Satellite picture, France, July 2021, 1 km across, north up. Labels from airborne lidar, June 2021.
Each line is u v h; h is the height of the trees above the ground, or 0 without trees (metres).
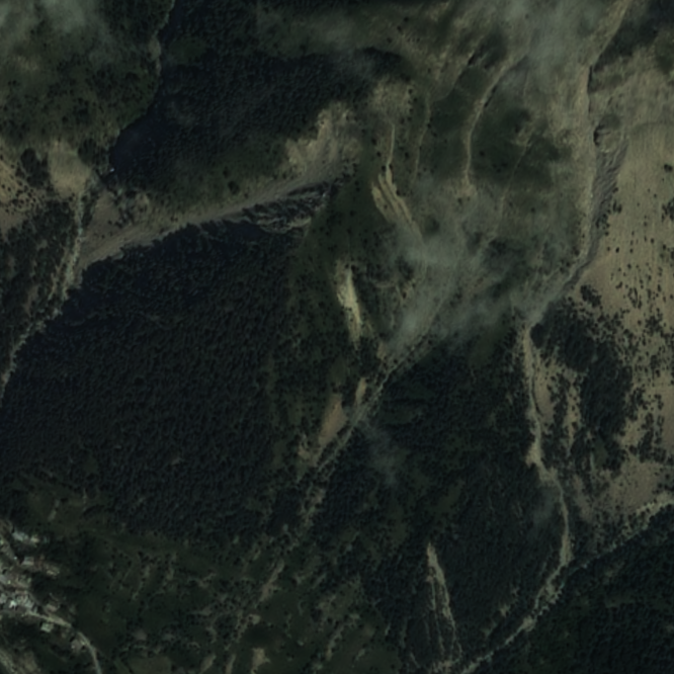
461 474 9
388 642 11
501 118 0
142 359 24
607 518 7
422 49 0
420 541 13
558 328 9
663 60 0
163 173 24
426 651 17
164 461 21
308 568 0
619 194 0
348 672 0
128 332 10
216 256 27
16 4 0
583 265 0
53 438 24
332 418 0
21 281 19
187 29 20
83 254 0
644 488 0
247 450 26
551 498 21
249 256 33
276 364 8
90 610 0
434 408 12
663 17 0
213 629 0
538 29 0
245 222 0
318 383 6
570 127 0
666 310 0
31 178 11
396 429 17
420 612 12
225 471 20
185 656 8
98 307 21
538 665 6
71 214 9
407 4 0
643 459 8
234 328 18
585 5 0
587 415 11
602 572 13
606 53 0
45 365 25
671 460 7
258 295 7
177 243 22
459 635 9
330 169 0
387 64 24
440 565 10
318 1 15
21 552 8
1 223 0
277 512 20
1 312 9
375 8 0
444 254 0
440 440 13
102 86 15
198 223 0
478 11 0
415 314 0
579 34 0
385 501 13
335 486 15
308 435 13
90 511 13
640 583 16
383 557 6
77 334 24
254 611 0
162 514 12
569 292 0
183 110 25
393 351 8
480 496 10
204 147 31
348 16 0
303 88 29
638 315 0
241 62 24
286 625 8
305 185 0
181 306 30
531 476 22
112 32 9
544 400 0
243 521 11
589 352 17
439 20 0
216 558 6
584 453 10
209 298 23
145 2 15
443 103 0
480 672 8
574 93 0
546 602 10
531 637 7
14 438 26
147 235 0
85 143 7
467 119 0
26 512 12
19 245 16
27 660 0
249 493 22
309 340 6
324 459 10
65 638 0
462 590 23
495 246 12
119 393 24
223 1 31
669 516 8
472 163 0
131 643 7
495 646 13
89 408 29
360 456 9
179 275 15
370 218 0
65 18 0
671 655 16
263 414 16
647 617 16
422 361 0
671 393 0
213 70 21
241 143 17
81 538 7
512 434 9
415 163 0
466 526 23
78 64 10
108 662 6
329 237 9
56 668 0
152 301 24
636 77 0
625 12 0
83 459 18
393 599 12
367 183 0
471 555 23
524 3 0
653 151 0
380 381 7
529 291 0
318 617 10
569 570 11
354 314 0
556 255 7
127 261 8
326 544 8
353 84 16
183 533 15
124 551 0
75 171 0
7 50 0
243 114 25
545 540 19
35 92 0
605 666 18
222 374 8
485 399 7
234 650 0
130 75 18
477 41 0
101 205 0
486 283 0
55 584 13
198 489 24
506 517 22
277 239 7
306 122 9
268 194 0
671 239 0
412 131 0
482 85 0
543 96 0
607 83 0
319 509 9
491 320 0
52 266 12
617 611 13
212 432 13
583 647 12
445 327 11
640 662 15
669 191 0
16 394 28
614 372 8
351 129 0
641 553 9
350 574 8
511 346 11
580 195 0
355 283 8
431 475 8
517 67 0
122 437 14
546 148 0
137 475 7
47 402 27
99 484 12
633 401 5
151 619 0
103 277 24
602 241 0
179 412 6
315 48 0
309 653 0
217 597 7
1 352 14
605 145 0
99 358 26
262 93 29
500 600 9
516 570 23
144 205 7
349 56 27
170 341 20
